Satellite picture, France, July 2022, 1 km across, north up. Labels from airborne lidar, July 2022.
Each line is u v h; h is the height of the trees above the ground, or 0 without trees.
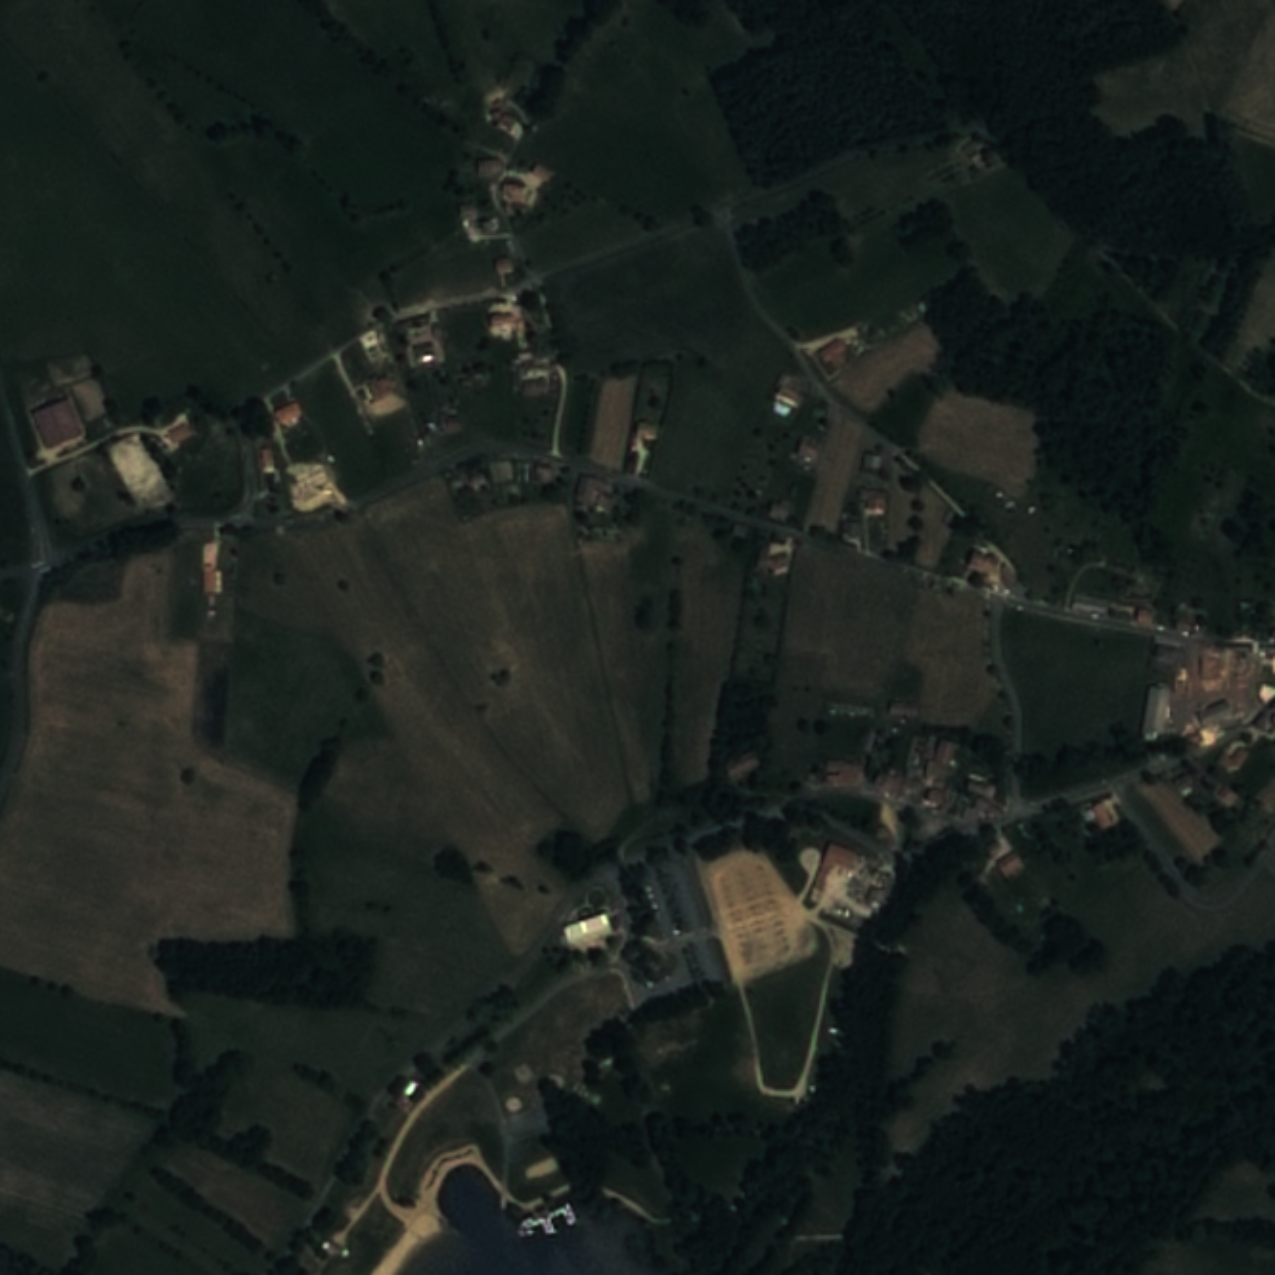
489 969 0
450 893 0
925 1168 19
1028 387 14
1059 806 15
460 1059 15
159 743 0
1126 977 0
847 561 0
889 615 0
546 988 0
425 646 0
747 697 8
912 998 0
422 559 0
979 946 0
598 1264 0
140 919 0
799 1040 0
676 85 0
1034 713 0
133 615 0
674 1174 14
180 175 0
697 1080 0
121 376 0
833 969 0
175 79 0
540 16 0
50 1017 0
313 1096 0
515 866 0
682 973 0
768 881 0
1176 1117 7
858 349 0
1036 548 0
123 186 0
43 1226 0
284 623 0
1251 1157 21
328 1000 16
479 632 0
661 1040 0
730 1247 11
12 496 0
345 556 0
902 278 0
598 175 0
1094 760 22
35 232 0
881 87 21
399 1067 0
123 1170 0
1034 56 16
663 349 0
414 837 0
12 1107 0
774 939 0
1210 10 0
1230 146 21
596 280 0
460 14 0
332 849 0
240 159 0
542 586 0
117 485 0
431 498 0
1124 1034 9
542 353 6
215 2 0
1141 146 17
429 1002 0
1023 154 11
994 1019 0
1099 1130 21
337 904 0
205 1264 0
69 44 0
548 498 9
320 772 15
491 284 0
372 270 0
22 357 0
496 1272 0
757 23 22
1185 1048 19
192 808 0
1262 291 0
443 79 0
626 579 0
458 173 7
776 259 13
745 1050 0
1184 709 0
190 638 0
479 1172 0
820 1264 6
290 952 17
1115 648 0
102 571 0
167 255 0
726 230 0
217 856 0
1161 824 0
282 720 0
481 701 0
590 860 12
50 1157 0
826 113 16
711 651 0
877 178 0
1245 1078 9
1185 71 0
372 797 0
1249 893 0
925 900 14
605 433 0
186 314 0
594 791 0
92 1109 0
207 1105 11
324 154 0
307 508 0
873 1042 20
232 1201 0
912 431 0
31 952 0
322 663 0
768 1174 21
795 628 0
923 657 0
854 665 0
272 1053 0
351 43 15
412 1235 0
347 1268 0
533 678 0
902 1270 18
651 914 7
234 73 0
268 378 0
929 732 7
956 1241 9
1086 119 19
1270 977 22
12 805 0
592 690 0
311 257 0
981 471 0
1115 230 25
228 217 0
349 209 18
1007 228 0
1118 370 21
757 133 18
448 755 0
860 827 8
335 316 0
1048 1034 0
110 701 0
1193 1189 23
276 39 0
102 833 0
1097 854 16
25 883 0
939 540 0
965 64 8
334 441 0
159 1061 0
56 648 0
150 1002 0
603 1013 0
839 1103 18
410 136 0
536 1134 0
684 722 0
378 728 0
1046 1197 6
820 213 14
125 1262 0
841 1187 0
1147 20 16
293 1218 0
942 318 19
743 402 0
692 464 0
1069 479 14
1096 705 0
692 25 18
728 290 0
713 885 0
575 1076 0
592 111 0
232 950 14
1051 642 0
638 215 6
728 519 8
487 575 0
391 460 0
